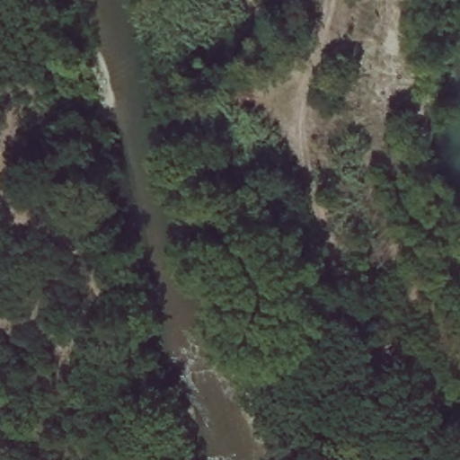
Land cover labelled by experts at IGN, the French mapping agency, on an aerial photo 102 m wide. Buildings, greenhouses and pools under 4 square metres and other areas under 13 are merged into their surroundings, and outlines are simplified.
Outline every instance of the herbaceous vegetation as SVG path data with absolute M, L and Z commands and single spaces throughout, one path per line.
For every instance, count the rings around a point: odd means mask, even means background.
M 406 90 L 413 84 L 411 65 L 406 63 L 406 59 L 399 52 L 399 5 L 402 0 L 336 0 L 329 31 L 332 40 L 343 38 L 347 31 L 347 23 L 354 23 L 354 32 L 350 40 L 359 41 L 363 45 L 361 68 L 370 74 L 368 86 L 376 92 L 372 95 L 372 104 L 385 106 L 395 92 Z
M 305 131 L 311 135 L 316 129 L 316 119 L 320 115 L 309 106 L 305 110 Z
M 307 142 L 304 155 L 298 158 L 298 164 L 307 171 L 314 169 L 316 160 L 322 162 L 323 167 L 327 167 L 331 162 L 327 151 L 316 146 L 311 138 Z
M 255 102 L 266 108 L 271 119 L 279 120 L 284 133 L 293 119 L 291 99 L 295 97 L 298 88 L 291 77 L 284 83 L 268 86 L 266 92 L 253 90 Z

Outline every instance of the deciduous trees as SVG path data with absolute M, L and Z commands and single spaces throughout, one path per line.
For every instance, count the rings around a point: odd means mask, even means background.
M 316 129 L 311 135 L 311 138 L 316 146 L 327 151 L 331 162 L 327 167 L 323 167 L 322 162 L 316 160 L 314 169 L 307 171 L 298 164 L 298 158 L 291 151 L 289 140 L 284 133 L 279 120 L 271 119 L 266 108 L 255 102 L 253 90 L 266 92 L 268 86 L 284 83 L 291 77 L 293 70 L 304 70 L 305 61 L 313 54 L 318 43 L 323 0 L 119 0 L 126 20 L 137 32 L 133 41 L 133 52 L 142 61 L 142 83 L 146 86 L 147 110 L 146 117 L 142 119 L 142 128 L 149 131 L 147 137 L 149 144 L 153 146 L 142 164 L 146 172 L 146 194 L 151 205 L 172 223 L 167 228 L 167 237 L 172 244 L 165 250 L 162 277 L 171 284 L 178 295 L 187 300 L 194 300 L 198 304 L 194 316 L 194 331 L 189 332 L 189 341 L 194 341 L 196 350 L 203 352 L 203 367 L 212 372 L 217 381 L 225 383 L 235 410 L 246 420 L 250 438 L 255 442 L 255 446 L 252 447 L 252 456 L 255 460 L 460 460 L 460 0 L 402 0 L 399 5 L 399 52 L 406 59 L 406 63 L 411 65 L 413 84 L 406 90 L 395 92 L 385 106 L 372 104 L 372 95 L 376 92 L 368 86 L 370 74 L 361 68 L 363 45 L 359 41 L 350 40 L 354 32 L 354 23 L 347 23 L 347 31 L 343 38 L 332 40 L 325 45 L 320 63 L 313 68 L 307 90 L 309 106 L 320 115 L 316 119 Z
M 165 298 L 160 298 L 158 287 L 153 287 L 147 280 L 146 273 L 151 268 L 142 259 L 142 248 L 138 248 L 138 244 L 131 246 L 129 235 L 122 232 L 126 210 L 120 207 L 124 198 L 117 192 L 117 180 L 122 178 L 122 174 L 119 160 L 111 153 L 115 135 L 120 129 L 115 122 L 115 113 L 110 110 L 115 102 L 115 95 L 111 90 L 108 66 L 95 40 L 92 25 L 88 23 L 88 11 L 81 4 L 81 0 L 0 0 L 0 460 L 207 460 L 207 442 L 198 433 L 196 419 L 189 415 L 190 388 L 185 381 L 181 381 L 185 363 L 172 361 L 171 356 L 162 349 L 158 338 L 162 334 L 160 323 L 164 316 L 160 309 L 165 305 Z

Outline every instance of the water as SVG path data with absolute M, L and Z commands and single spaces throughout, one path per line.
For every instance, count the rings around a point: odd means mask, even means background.
M 137 32 L 126 20 L 119 0 L 81 0 L 81 4 L 88 11 L 88 23 L 92 25 L 95 40 L 108 66 L 111 90 L 115 95 L 115 102 L 110 110 L 115 113 L 115 122 L 120 129 L 115 135 L 111 153 L 119 160 L 122 174 L 122 178 L 117 180 L 117 192 L 124 198 L 120 207 L 126 210 L 122 232 L 129 235 L 131 246 L 138 244 L 138 248 L 142 248 L 142 259 L 151 268 L 146 273 L 147 280 L 153 287 L 158 287 L 160 298 L 165 298 L 165 305 L 160 309 L 164 316 L 160 323 L 162 334 L 158 338 L 162 349 L 171 356 L 172 361 L 185 363 L 181 381 L 185 381 L 190 388 L 189 415 L 196 419 L 198 433 L 207 442 L 207 460 L 255 460 L 252 456 L 252 447 L 255 446 L 255 442 L 250 438 L 246 420 L 235 410 L 225 383 L 217 381 L 212 372 L 203 367 L 203 352 L 196 350 L 194 341 L 189 341 L 189 332 L 194 331 L 194 316 L 198 304 L 194 300 L 187 300 L 178 295 L 171 284 L 162 277 L 165 250 L 172 244 L 167 237 L 167 228 L 172 223 L 151 205 L 146 194 L 146 172 L 142 164 L 153 146 L 149 144 L 147 137 L 149 131 L 142 128 L 142 119 L 146 117 L 147 110 L 146 86 L 142 83 L 142 61 L 133 52 L 133 41 Z

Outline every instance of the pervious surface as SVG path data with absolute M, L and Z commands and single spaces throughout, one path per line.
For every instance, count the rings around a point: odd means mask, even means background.
M 291 99 L 293 119 L 284 133 L 289 140 L 291 151 L 298 158 L 304 155 L 307 142 L 311 138 L 311 135 L 305 131 L 305 110 L 309 106 L 307 90 L 313 68 L 320 63 L 325 45 L 332 40 L 329 31 L 336 0 L 323 0 L 318 43 L 313 54 L 305 61 L 304 70 L 293 70 L 291 77 L 298 88 L 295 97 Z

